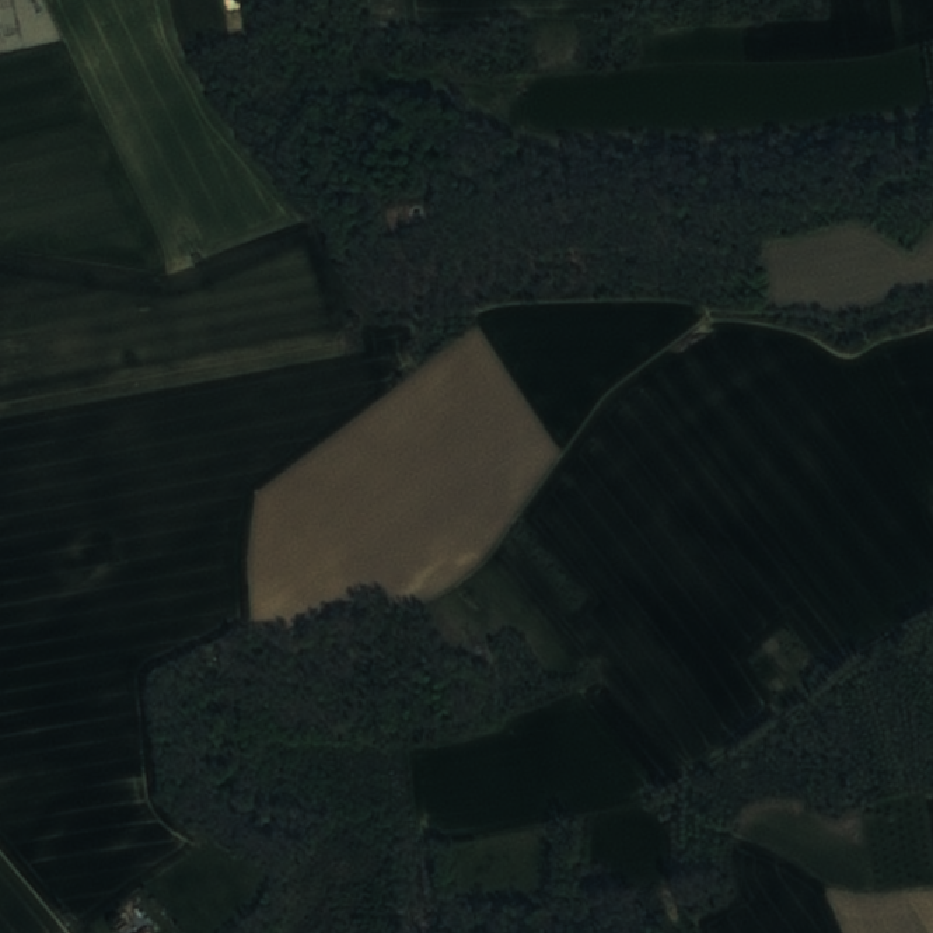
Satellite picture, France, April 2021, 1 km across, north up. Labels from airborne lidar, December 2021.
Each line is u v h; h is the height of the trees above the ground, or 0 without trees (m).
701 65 0
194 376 0
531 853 0
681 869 8
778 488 0
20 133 0
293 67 20
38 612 0
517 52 18
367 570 0
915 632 29
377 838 9
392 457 0
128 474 0
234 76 19
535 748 0
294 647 16
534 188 28
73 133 0
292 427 0
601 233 23
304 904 7
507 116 0
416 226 15
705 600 0
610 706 0
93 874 0
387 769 9
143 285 0
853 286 0
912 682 19
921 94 0
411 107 25
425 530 0
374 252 23
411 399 0
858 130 18
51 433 0
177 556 0
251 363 0
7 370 0
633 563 0
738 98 0
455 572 0
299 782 12
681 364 0
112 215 0
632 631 0
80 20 0
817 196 22
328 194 18
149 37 0
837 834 0
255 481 0
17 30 0
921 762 17
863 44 0
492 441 0
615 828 0
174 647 0
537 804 0
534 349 0
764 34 0
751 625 0
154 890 0
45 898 0
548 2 0
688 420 0
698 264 23
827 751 23
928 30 0
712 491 0
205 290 0
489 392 0
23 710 0
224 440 0
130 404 0
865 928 0
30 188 0
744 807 7
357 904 9
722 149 19
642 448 0
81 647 0
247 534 0
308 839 17
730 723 0
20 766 0
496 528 0
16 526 0
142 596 0
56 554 0
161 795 21
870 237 0
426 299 5
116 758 0
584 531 0
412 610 19
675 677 0
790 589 0
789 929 0
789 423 0
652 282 24
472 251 19
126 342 0
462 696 23
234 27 0
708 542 0
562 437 0
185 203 0
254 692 22
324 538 0
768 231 19
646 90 0
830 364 0
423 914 5
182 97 0
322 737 26
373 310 12
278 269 0
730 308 16
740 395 0
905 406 0
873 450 0
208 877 0
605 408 0
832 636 0
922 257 0
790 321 14
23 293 0
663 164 30
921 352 0
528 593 0
